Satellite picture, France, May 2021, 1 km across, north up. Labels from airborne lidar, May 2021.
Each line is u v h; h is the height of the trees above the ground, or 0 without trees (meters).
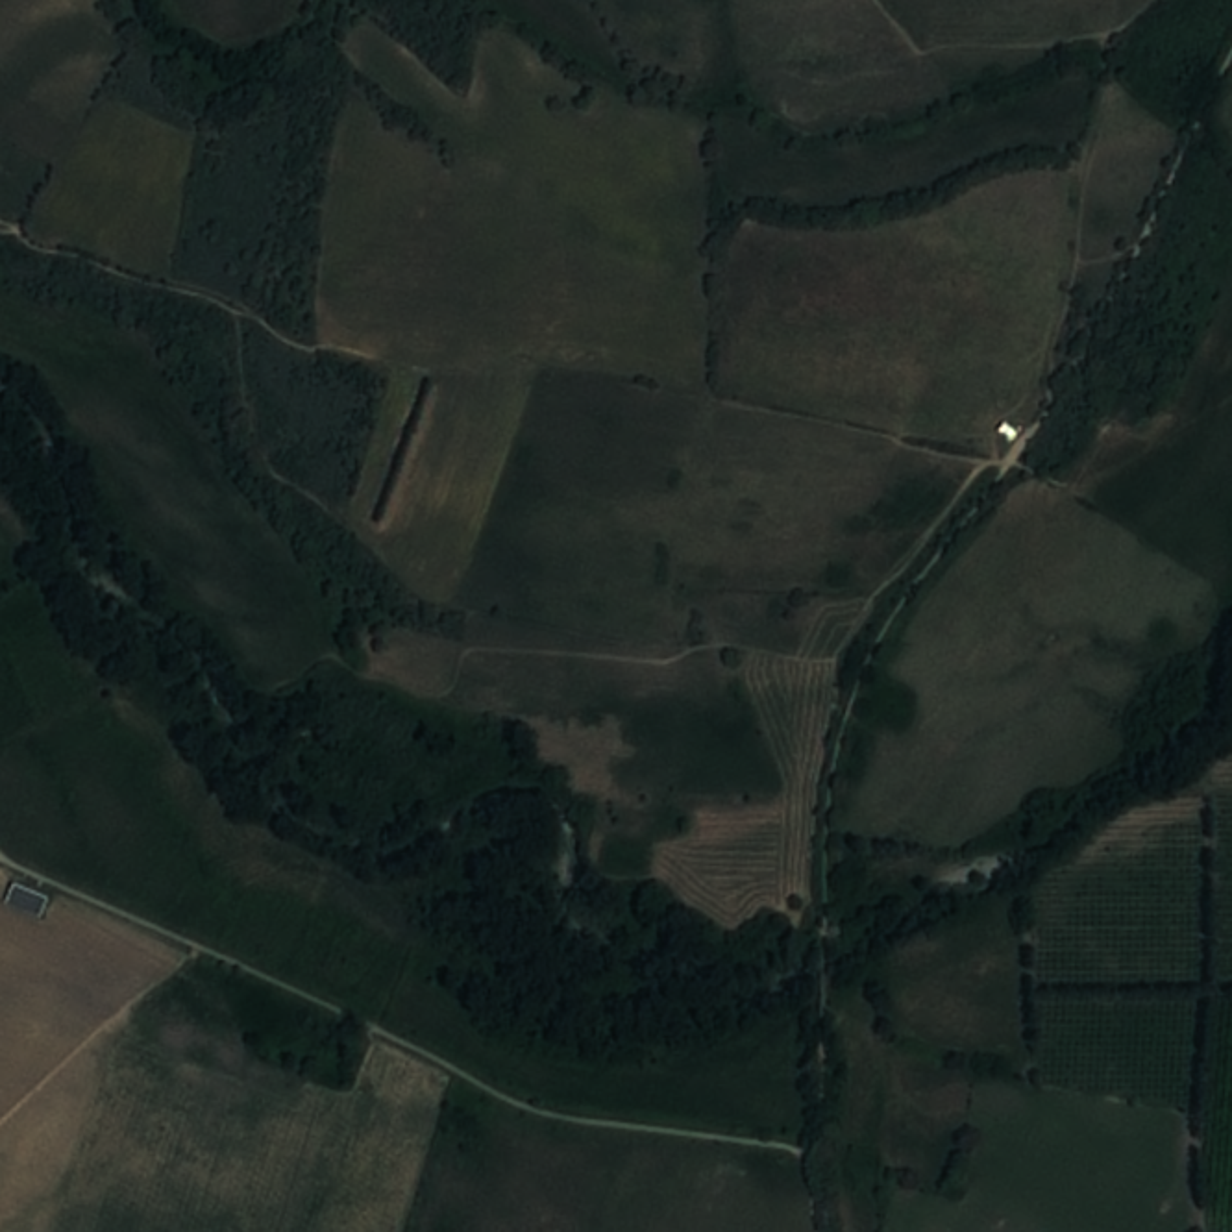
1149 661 0
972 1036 0
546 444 0
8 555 0
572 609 0
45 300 13
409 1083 0
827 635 0
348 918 0
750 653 0
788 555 0
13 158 0
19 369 22
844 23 0
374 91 9
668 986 34
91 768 0
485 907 31
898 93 0
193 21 0
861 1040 0
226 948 0
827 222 7
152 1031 0
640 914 16
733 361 0
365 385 6
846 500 0
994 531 0
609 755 0
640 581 0
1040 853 18
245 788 28
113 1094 0
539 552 0
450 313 0
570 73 8
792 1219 0
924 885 19
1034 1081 16
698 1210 0
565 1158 0
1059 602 0
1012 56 0
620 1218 0
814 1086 16
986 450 0
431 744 18
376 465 0
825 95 0
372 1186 0
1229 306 0
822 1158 12
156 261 0
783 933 10
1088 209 0
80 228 0
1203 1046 25
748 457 0
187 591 0
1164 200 8
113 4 11
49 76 0
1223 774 0
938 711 0
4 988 0
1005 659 0
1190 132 6
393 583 7
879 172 0
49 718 0
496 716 7
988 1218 0
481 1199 0
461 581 0
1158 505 0
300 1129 0
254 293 8
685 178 0
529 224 0
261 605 0
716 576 0
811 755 0
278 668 0
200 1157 0
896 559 0
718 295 9
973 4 0
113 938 0
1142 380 7
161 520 0
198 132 7
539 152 0
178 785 0
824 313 0
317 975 0
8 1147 0
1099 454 0
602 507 0
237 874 0
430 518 0
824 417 0
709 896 0
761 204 11
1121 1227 0
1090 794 9
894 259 0
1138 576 0
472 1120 7
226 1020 0
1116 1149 0
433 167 0
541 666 0
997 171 8
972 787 0
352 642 10
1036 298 0
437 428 0
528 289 0
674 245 0
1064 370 10
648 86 13
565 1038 22
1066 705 0
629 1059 11
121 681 15
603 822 0
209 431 10
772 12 0
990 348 0
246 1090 0
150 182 0
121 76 5
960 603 0
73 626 28
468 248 0
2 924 0
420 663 0
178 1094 0
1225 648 28
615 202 0
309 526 8
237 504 0
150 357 0
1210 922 22
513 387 0
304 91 6
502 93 0
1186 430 0
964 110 11
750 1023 12
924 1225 0
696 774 0
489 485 0
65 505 15
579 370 0
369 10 8
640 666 0
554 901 24
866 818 0
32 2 0
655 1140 0
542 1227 0
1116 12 0
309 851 8
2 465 28
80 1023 0
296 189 6
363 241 0
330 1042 10
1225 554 0
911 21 0
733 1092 0
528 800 26
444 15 11
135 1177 0
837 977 15
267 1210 0
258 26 0
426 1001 0
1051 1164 0
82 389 0
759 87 0
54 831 0
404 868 28
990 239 0
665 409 0
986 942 0
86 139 0
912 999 0
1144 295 6
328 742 19
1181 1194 0
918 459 0
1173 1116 0
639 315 0
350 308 0
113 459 0
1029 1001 19
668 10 0
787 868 0
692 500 0
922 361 0
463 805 8
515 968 31
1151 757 19
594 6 6
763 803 0
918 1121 0
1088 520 0
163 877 0
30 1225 0
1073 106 0
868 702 6
